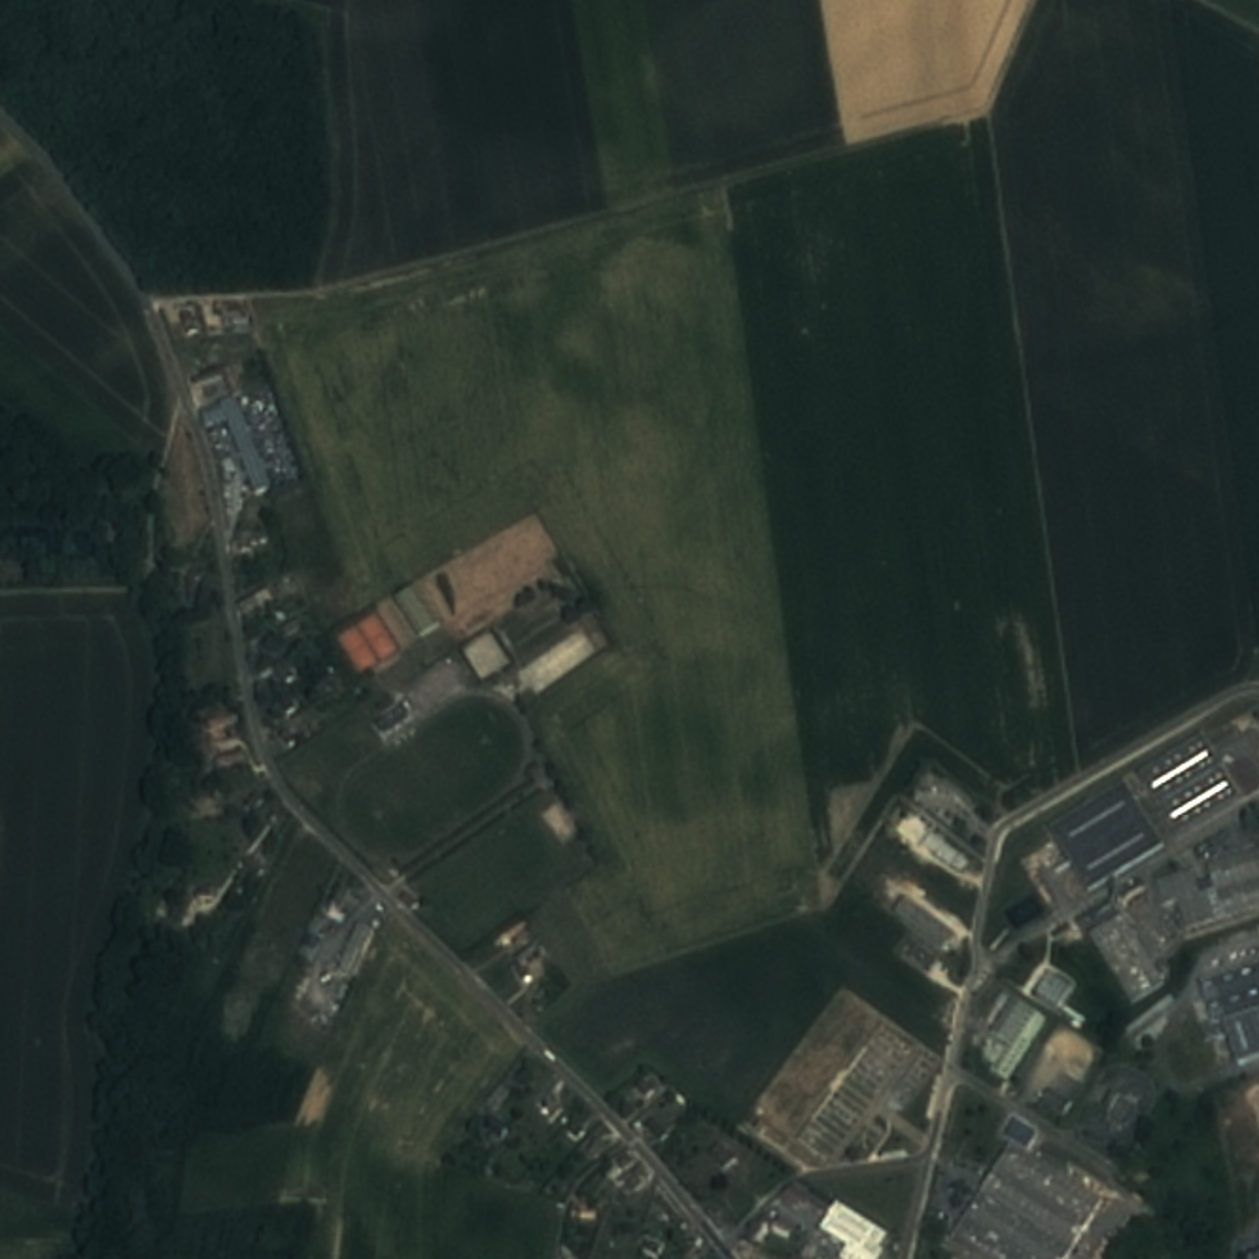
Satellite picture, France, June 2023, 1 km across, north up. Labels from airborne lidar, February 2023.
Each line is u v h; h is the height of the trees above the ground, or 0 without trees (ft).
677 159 0
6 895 0
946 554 0
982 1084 0
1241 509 0
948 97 0
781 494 0
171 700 67
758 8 0
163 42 69
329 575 0
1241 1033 0
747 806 0
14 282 0
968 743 0
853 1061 0
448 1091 0
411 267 0
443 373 0
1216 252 0
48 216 0
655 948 0
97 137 60
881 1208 0
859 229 0
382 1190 0
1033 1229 0
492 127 0
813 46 0
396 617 0
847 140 0
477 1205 0
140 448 0
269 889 0
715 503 0
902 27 0
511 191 0
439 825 0
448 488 0
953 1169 0
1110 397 0
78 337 0
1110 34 0
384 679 0
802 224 0
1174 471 0
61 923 0
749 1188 0
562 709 0
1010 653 0
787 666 0
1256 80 0
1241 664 0
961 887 0
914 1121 0
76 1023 0
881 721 0
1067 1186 0
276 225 59
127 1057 54
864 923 0
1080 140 0
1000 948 0
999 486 0
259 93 58
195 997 0
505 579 0
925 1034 0
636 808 0
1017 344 0
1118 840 0
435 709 0
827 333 0
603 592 0
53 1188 0
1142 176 0
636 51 0
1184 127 0
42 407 0
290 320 0
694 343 0
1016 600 0
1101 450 0
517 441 0
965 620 0
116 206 62
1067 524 0
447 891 0
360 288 0
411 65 0
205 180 68
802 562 0
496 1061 0
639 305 0
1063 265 0
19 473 90
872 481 0
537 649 0
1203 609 0
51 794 0
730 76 0
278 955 0
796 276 0
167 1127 58
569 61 0
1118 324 0
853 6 0
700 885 0
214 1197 0
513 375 0
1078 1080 0
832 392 0
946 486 0
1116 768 0
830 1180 0
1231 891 0
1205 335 0
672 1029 0
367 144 0
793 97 0
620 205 0
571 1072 0
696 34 0
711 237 0
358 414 0
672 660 0
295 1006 0
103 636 0
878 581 0
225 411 0
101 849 0
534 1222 0
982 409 0
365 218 0
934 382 0
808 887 0
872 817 0
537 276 0
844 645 0
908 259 0
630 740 0
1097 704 0
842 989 0
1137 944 0
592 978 0
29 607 0
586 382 0
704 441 0
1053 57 0
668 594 0
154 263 62
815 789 0
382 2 0
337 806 0
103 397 0
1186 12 0
